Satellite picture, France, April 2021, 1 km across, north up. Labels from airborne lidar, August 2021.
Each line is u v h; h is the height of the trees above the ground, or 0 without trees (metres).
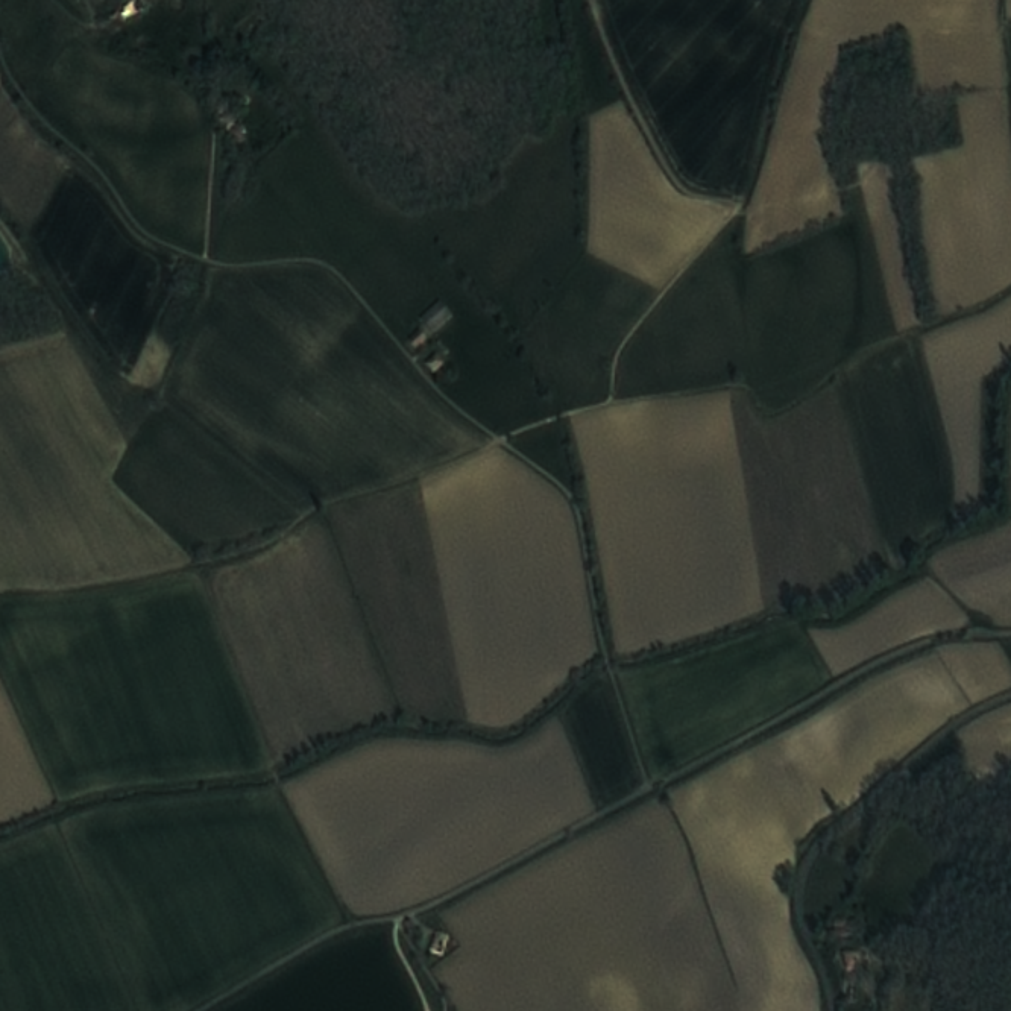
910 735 0
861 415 0
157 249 0
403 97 19
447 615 0
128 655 0
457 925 0
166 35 0
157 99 0
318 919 0
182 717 0
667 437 0
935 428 0
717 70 0
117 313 0
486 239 0
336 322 0
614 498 0
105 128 0
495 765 0
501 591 0
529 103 22
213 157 0
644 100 0
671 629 0
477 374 0
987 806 16
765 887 0
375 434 0
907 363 0
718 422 0
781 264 0
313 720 0
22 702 0
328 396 0
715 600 0
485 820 0
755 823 0
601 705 0
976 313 0
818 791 0
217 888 0
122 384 0
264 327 0
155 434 0
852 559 0
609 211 0
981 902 20
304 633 0
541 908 0
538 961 0
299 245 0
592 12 11
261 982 0
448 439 0
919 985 7
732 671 0
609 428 0
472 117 18
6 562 0
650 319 0
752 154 0
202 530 0
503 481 0
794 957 0
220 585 0
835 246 0
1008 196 0
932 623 0
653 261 0
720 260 0
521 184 0
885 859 0
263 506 0
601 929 0
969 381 0
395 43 18
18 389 0
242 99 14
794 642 0
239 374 0
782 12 0
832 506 0
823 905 0
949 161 0
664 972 0
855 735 0
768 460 0
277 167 0
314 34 19
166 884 0
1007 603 0
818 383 0
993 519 10
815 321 0
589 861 0
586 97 15
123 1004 0
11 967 0
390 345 0
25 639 0
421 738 0
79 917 0
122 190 0
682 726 0
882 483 0
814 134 0
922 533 0
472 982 0
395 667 0
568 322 0
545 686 0
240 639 0
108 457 0
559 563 0
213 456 0
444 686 0
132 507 0
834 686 0
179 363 0
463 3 25
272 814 0
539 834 0
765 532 0
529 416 0
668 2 0
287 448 0
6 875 0
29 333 18
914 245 17
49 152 0
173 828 0
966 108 0
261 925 0
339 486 0
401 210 14
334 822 0
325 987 0
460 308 0
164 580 0
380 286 0
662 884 0
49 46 0
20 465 0
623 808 0
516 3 21
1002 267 0
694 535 0
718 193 0
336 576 0
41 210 0
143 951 0
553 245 0
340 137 16
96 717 0
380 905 0
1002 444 17
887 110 24
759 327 0
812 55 0
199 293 6
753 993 0
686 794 0
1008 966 12
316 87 16
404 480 0
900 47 23
